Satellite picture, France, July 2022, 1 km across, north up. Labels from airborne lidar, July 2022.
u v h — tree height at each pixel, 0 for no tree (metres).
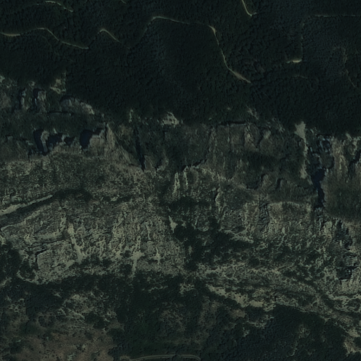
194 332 7
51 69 21
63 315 8
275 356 11
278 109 17
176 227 9
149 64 10
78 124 7
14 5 18
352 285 0
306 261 8
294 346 10
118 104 17
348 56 12
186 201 10
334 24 16
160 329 16
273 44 18
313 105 19
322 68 13
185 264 5
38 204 5
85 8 9
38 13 18
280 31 22
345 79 10
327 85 12
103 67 12
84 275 7
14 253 9
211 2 27
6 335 6
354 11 14
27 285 13
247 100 9
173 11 17
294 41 18
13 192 8
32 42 18
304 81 14
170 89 12
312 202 7
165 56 7
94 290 7
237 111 12
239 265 0
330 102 10
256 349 8
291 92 13
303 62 9
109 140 0
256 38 25
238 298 0
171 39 13
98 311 6
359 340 9
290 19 16
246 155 9
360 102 15
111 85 15
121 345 11
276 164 6
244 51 33
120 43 16
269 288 5
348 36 15
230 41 20
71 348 0
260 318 7
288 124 16
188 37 20
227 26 16
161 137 13
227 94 22
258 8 8
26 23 17
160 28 8
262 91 27
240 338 10
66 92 11
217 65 27
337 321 7
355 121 16
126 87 16
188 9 20
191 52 24
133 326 7
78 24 11
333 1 16
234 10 25
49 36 9
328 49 13
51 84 5
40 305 13
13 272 7
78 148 0
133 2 13
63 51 21
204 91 23
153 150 7
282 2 17
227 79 17
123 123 8
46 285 6
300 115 14
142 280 7
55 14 23
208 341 13
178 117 14
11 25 21
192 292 12
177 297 9
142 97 23
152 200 11
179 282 9
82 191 6
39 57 17
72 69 21
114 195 7
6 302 9
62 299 9
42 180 8
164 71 11
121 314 11
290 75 14
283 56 15
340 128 13
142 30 8
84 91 18
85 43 19
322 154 6
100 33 5
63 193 9
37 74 20
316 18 7
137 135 11
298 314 9
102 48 10
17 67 19
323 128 14
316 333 7
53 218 0
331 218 10
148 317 9
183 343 10
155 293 8
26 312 13
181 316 9
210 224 8
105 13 16
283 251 7
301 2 15
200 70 29
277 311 7
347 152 7
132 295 6
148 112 13
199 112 16
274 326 11
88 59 24
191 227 9
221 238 8
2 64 22
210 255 7
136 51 24
